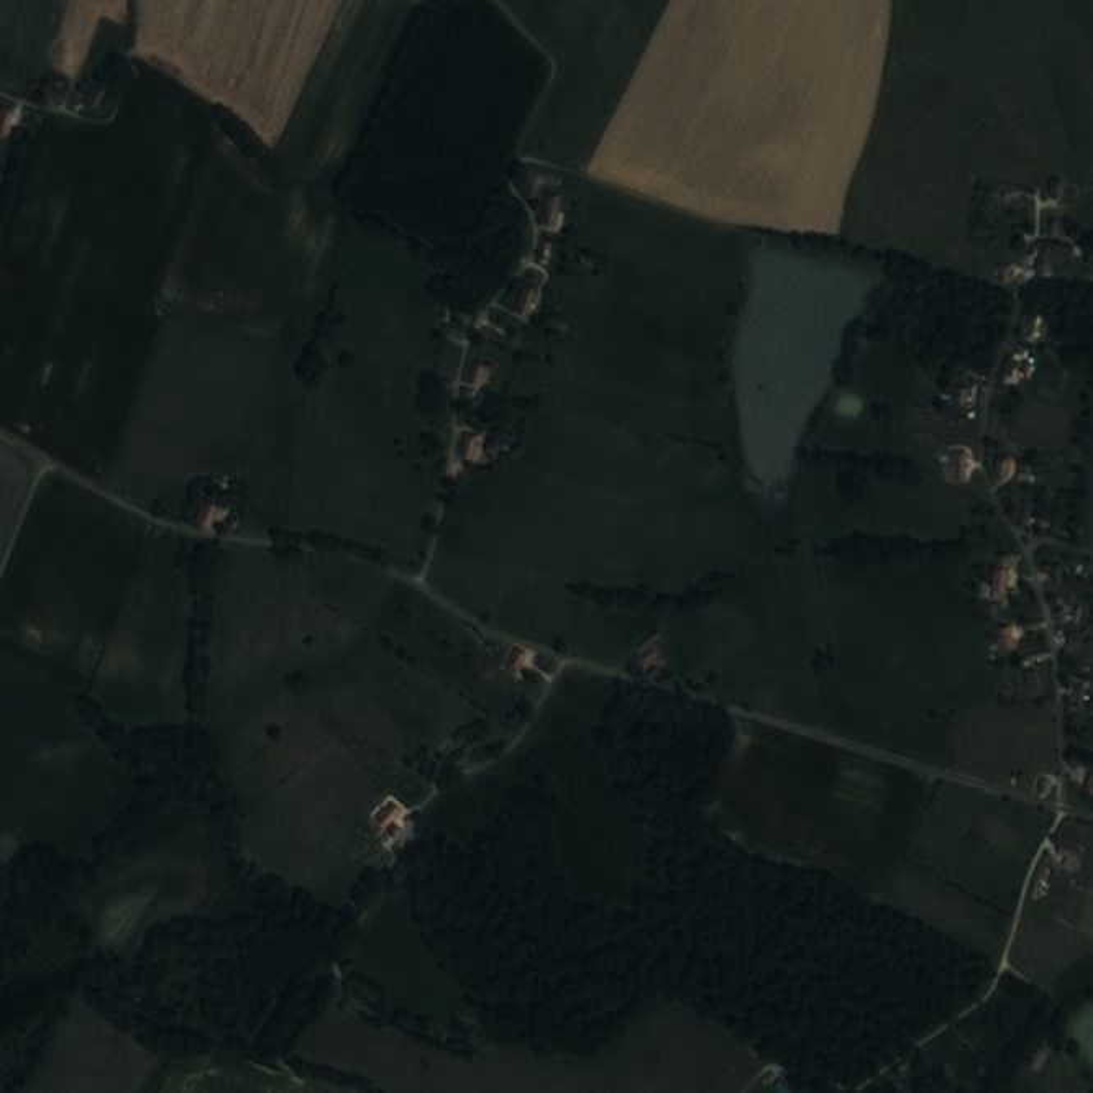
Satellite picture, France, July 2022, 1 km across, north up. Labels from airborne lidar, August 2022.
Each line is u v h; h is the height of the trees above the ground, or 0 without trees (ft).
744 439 0
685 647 0
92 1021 0
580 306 0
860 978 58
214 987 48
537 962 54
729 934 79
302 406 0
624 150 0
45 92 39
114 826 0
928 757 0
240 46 0
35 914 75
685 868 64
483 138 37
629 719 52
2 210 42
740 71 0
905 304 84
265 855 0
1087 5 0
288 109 0
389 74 58
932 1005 60
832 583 0
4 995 24
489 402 25
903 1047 77
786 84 0
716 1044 0
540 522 0
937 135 0
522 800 84
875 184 0
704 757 64
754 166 0
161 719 0
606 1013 48
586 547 0
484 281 66
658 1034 0
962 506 0
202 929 38
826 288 0
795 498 0
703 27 0
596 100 0
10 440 0
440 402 42
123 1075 0
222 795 44
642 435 0
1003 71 0
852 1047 68
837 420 0
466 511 0
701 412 0
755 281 0
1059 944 0
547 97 0
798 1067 52
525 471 0
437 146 34
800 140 0
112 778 0
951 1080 73
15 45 0
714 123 0
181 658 0
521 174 44
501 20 27
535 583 0
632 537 0
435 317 0
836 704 0
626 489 0
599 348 0
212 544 27
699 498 0
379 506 0
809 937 71
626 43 0
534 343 0
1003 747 0
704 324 0
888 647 0
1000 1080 61
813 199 0
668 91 0
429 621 0
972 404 0
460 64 34
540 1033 84
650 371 0
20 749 0
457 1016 0
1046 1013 65
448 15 38
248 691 0
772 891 53
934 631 0
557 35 0
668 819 59
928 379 0
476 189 33
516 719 23
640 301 0
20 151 38
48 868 84
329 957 49
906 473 58
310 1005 54
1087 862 0
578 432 0
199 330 0
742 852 53
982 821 0
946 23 0
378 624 0
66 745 0
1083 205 0
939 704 0
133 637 0
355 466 0
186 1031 46
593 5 0
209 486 43
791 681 0
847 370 55
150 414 0
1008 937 0
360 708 0
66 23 0
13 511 0
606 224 0
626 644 0
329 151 0
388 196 36
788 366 0
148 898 0
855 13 0
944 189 0
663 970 71
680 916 71
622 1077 0
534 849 77
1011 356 21
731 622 0
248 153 54
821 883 45
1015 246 32
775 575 0
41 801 0
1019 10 0
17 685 0
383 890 43
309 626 0
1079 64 0
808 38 0
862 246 24
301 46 0
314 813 0
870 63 0
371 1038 0
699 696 44
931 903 0
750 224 0
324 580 0
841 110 0
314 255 0
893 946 64
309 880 0
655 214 0
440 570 0
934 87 0
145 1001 28
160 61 0
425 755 18
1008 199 0
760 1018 69
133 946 0
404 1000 0
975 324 76
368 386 0
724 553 0
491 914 69
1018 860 0
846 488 67
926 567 0
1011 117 0
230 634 0
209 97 0
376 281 0
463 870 83
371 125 33
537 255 30
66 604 0
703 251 0
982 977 78
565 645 34
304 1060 31
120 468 0
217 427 0
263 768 0
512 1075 0
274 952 60
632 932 61
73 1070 0
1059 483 0
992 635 24
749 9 0
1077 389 0
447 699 0
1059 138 0
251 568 0
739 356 0
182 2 0
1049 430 0
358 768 0
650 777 55
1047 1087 0
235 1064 0
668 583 0
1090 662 0
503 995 53
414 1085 0
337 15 0
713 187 0
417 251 72
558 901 60
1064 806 0
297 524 0
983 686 0
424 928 59
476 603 0
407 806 0
